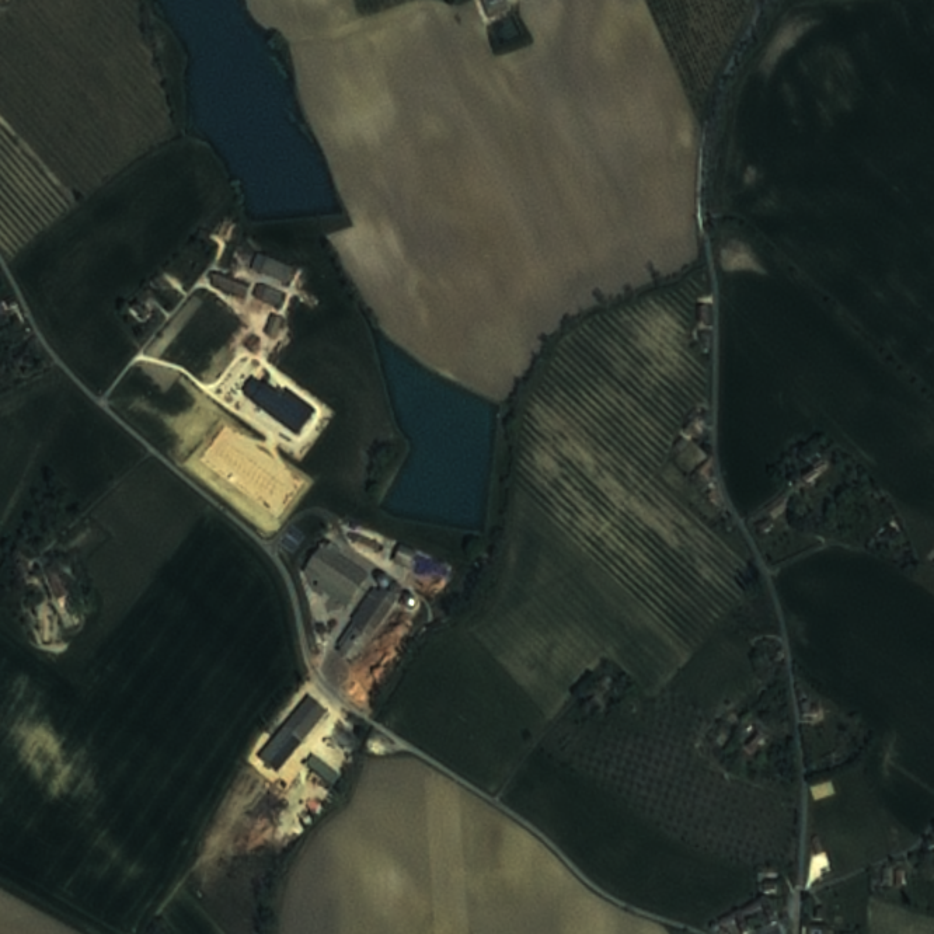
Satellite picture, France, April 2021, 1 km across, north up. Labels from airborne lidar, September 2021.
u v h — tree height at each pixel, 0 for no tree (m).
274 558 0
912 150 0
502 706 0
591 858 0
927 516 0
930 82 0
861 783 0
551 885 0
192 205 0
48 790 0
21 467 0
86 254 0
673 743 8
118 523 0
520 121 0
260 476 0
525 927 0
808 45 0
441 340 0
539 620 0
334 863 0
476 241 0
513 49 0
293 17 0
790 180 0
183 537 0
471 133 0
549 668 0
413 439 0
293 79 0
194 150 0
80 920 0
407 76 0
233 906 0
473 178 0
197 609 0
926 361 0
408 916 0
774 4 16
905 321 0
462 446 0
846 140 0
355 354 0
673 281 8
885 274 0
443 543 0
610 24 0
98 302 0
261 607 0
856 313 0
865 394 0
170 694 0
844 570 0
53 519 15
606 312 20
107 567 0
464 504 0
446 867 0
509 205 0
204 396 0
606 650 0
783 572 0
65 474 0
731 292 0
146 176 0
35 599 7
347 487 0
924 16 0
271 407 0
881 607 0
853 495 12
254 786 0
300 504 0
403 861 0
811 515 15
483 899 0
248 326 0
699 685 0
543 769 0
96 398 0
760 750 6
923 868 9
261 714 0
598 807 0
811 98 0
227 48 0
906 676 0
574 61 0
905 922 0
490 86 0
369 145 0
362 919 0
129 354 0
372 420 0
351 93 0
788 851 13
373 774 0
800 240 0
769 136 0
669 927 0
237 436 0
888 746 0
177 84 0
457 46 0
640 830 0
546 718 0
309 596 0
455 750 0
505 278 0
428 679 0
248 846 0
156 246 0
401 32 0
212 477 0
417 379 0
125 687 0
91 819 0
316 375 0
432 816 0
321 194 0
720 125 14
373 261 0
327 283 0
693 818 12
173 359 0
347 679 0
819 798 0
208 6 0
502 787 0
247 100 0
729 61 0
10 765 0
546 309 0
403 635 0
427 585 0
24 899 0
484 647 0
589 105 0
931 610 0
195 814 0
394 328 0
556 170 0
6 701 0
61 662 0
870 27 0
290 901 0
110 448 0
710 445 7
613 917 0
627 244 0
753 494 0
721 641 0
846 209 0
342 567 0
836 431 0
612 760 12
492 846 0
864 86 0
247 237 8
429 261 0
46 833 0
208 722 0
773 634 0
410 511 0
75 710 0
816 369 0
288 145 0
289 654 0
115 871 0
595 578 0
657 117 0
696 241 0
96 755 0
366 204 0
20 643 0
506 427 13
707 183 11
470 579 0
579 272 0
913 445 0
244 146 0
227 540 0
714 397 0
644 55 0
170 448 0
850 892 0
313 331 0
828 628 0
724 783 11
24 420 0
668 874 0
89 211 0
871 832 0
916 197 0
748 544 0
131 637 0
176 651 0
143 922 0
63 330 0
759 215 0
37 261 0
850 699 0
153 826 0
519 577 0
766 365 0
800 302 0
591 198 0
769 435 0
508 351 0
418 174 0
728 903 0
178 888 0
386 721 0
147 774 0
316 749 0
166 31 0
